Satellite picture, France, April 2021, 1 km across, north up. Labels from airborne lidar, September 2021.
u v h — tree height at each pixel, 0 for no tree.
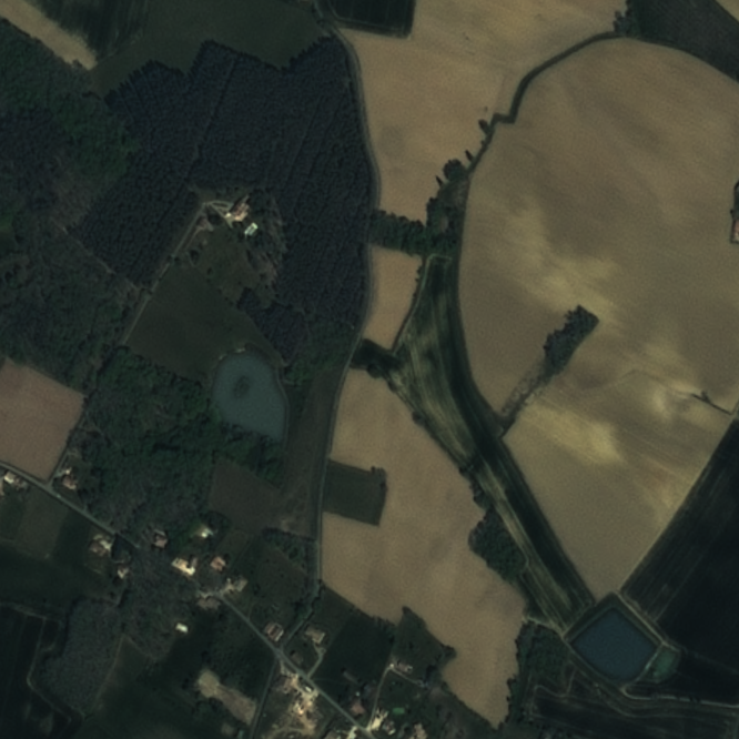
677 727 0
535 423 0
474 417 0
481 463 0
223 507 0
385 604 0
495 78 0
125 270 17
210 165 16
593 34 0
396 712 0
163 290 0
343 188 19
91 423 6
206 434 17
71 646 15
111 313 16
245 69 19
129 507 21
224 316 0
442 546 0
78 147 26
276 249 18
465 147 0
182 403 22
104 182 20
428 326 0
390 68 0
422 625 16
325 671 0
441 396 0
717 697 0
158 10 0
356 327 14
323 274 17
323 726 0
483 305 0
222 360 0
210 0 0
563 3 0
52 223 8
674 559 0
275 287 12
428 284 0
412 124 0
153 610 22
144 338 0
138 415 16
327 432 0
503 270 0
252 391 0
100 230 20
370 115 0
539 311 0
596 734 0
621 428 0
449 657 10
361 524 0
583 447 0
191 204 17
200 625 0
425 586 0
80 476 13
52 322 11
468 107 0
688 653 0
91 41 0
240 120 17
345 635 0
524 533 0
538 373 0
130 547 17
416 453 0
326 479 0
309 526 0
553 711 0
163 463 24
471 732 0
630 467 0
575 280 0
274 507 0
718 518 0
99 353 15
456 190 0
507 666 0
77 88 19
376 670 0
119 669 0
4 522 0
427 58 0
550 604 0
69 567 0
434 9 0
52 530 0
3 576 0
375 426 0
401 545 0
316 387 0
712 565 0
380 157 0
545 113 0
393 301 0
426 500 0
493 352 0
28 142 26
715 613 0
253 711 0
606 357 0
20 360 14
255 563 0
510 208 0
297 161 15
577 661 0
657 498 0
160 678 0
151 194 20
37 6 0
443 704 0
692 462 0
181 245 0
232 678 11
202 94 17
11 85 24
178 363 0
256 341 0
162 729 0
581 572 0
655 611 0
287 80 15
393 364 0
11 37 20
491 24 0
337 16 0
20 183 15
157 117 17
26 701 0
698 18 9
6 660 0
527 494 0
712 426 0
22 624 0
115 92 0
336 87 18
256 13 0
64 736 0
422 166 0
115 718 0
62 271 11
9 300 15
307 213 20
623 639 0
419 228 8
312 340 19
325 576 0
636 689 0
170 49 0
